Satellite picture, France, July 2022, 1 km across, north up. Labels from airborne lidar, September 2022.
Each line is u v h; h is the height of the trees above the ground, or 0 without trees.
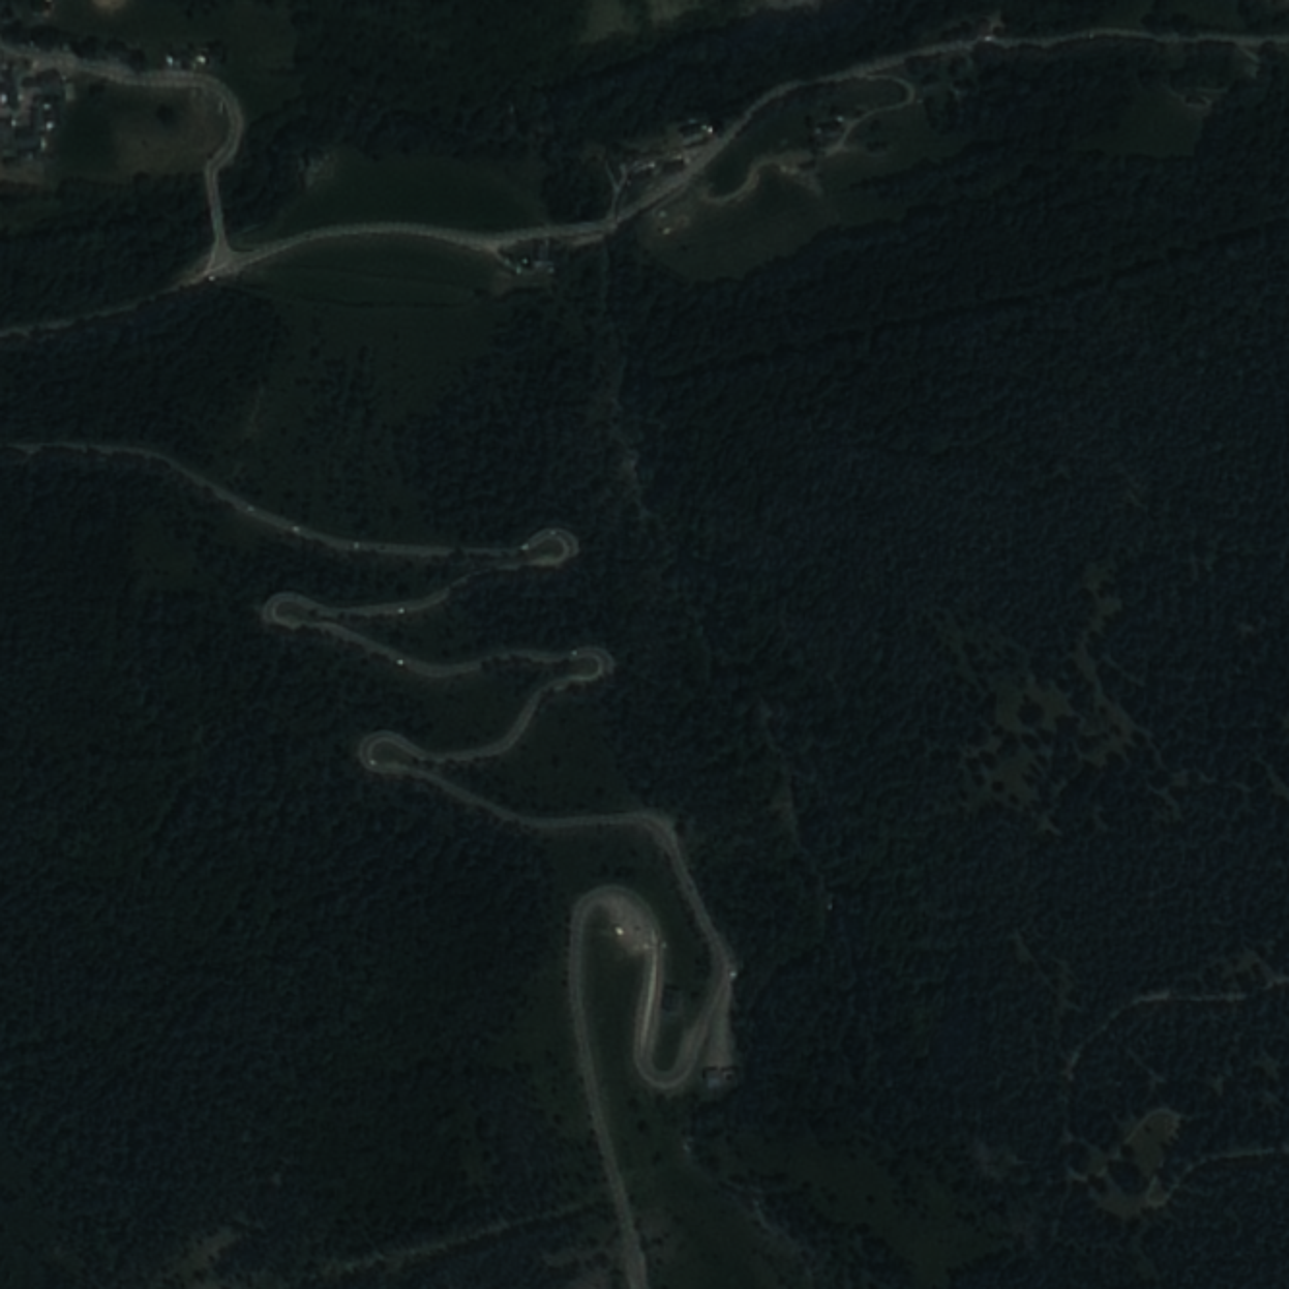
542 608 7
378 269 0
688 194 0
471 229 0
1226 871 20
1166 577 21
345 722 13
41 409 9
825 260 19
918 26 15
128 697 16
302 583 11
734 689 12
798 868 20
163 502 10
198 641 7
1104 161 15
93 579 23
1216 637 10
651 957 0
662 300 15
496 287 0
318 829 18
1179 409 18
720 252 0
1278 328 17
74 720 22
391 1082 22
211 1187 16
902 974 18
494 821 14
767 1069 11
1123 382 18
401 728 9
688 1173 0
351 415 9
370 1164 20
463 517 8
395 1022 20
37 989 19
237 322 15
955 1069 18
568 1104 0
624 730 8
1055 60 16
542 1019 0
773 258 0
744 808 14
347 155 0
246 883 20
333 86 10
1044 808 13
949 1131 17
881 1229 0
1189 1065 23
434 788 17
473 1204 12
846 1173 0
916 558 14
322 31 9
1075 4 18
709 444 17
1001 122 16
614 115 22
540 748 0
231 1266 13
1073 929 12
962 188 16
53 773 18
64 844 16
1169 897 16
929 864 16
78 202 16
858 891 16
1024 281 18
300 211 0
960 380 17
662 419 8
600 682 9
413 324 0
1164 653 21
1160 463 19
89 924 19
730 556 17
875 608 16
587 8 7
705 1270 0
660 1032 0
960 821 15
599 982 0
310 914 22
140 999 18
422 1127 19
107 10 0
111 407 8
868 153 0
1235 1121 12
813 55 21
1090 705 13
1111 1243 7
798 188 0
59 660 10
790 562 12
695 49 28
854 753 9
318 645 10
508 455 12
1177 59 0
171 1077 26
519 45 11
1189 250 14
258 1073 18
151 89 0
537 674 7
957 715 17
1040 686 7
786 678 21
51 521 22
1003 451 11
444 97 9
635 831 0
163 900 21
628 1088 0
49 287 18
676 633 15
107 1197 19
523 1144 11
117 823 14
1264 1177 14
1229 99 11
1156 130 0
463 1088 11
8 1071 9
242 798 10
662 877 0
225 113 0
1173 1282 15
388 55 21
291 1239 10
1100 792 18
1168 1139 0
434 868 22
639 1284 0
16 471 13
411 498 0
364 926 20
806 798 8
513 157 7
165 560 0
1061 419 14
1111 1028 7
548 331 9
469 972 19
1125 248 24
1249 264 19
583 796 0
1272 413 19
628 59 9
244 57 0
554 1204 7
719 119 13
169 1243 10
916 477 14
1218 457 16
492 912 24
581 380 6
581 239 0
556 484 10
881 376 16
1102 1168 0
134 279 21
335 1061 16
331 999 20
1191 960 13
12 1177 0
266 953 16
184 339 14
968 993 12
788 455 14
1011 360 14
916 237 24
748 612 20
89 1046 17
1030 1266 6
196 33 0
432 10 13
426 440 9
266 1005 19
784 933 15
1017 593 15
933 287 24
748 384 19
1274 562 23
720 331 19
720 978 0
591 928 0
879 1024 30
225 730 10
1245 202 19
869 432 11
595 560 20
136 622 10
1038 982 16
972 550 18
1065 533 14
